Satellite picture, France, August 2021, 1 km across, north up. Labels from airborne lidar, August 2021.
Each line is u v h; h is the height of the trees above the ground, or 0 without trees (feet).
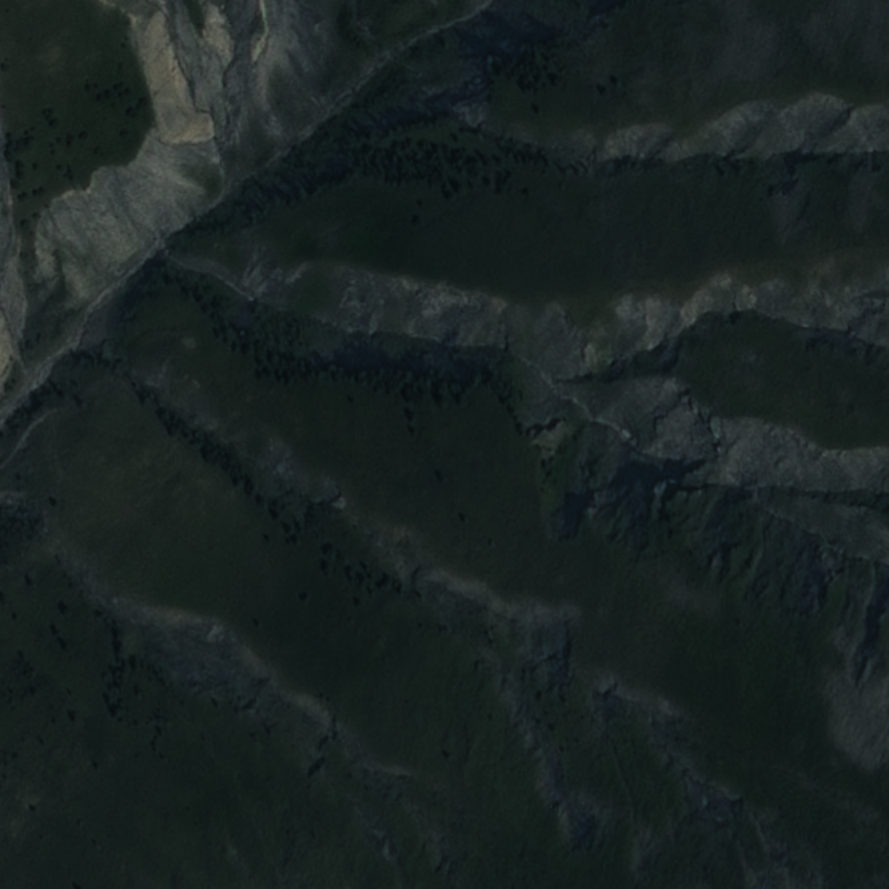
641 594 0
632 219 0
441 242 0
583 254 0
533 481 0
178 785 0
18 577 0
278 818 0
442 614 0
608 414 0
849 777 0
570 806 0
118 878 0
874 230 0
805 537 0
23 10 0
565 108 0
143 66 0
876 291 0
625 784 0
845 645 0
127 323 0
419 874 0
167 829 0
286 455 0
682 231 0
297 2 0
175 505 0
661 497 0
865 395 0
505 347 0
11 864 0
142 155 0
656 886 0
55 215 0
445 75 0
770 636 0
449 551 0
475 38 0
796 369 0
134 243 0
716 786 0
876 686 0
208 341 0
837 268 0
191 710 0
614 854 0
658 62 0
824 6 0
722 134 0
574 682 0
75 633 0
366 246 0
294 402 0
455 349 0
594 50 0
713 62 0
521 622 0
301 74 0
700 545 0
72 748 0
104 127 0
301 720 0
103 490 0
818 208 0
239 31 0
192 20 0
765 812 0
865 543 0
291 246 0
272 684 0
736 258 0
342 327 0
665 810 0
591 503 0
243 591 0
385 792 0
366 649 0
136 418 0
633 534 0
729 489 0
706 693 0
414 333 0
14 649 0
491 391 28
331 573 33
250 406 0
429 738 0
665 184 0
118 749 0
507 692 0
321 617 0
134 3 0
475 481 0
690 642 0
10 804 0
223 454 50
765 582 0
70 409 0
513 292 0
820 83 0
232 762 0
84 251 0
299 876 0
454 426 0
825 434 0
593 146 0
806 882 0
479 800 0
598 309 0
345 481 0
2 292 0
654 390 0
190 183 0
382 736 0
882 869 0
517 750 0
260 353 49
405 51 0
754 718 0
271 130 0
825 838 0
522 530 0
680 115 0
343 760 0
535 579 0
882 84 0
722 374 0
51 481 0
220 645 0
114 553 0
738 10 0
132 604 0
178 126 0
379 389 41
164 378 0
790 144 0
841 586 0
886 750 0
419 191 0
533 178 0
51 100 0
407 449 0
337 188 32
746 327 0
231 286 0
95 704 0
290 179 0
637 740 0
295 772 0
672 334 0
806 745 0
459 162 54
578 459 0
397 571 0
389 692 0
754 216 0
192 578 0
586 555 0
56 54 0
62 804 0
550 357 0
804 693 0
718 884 0
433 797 0
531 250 0
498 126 0
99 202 0
